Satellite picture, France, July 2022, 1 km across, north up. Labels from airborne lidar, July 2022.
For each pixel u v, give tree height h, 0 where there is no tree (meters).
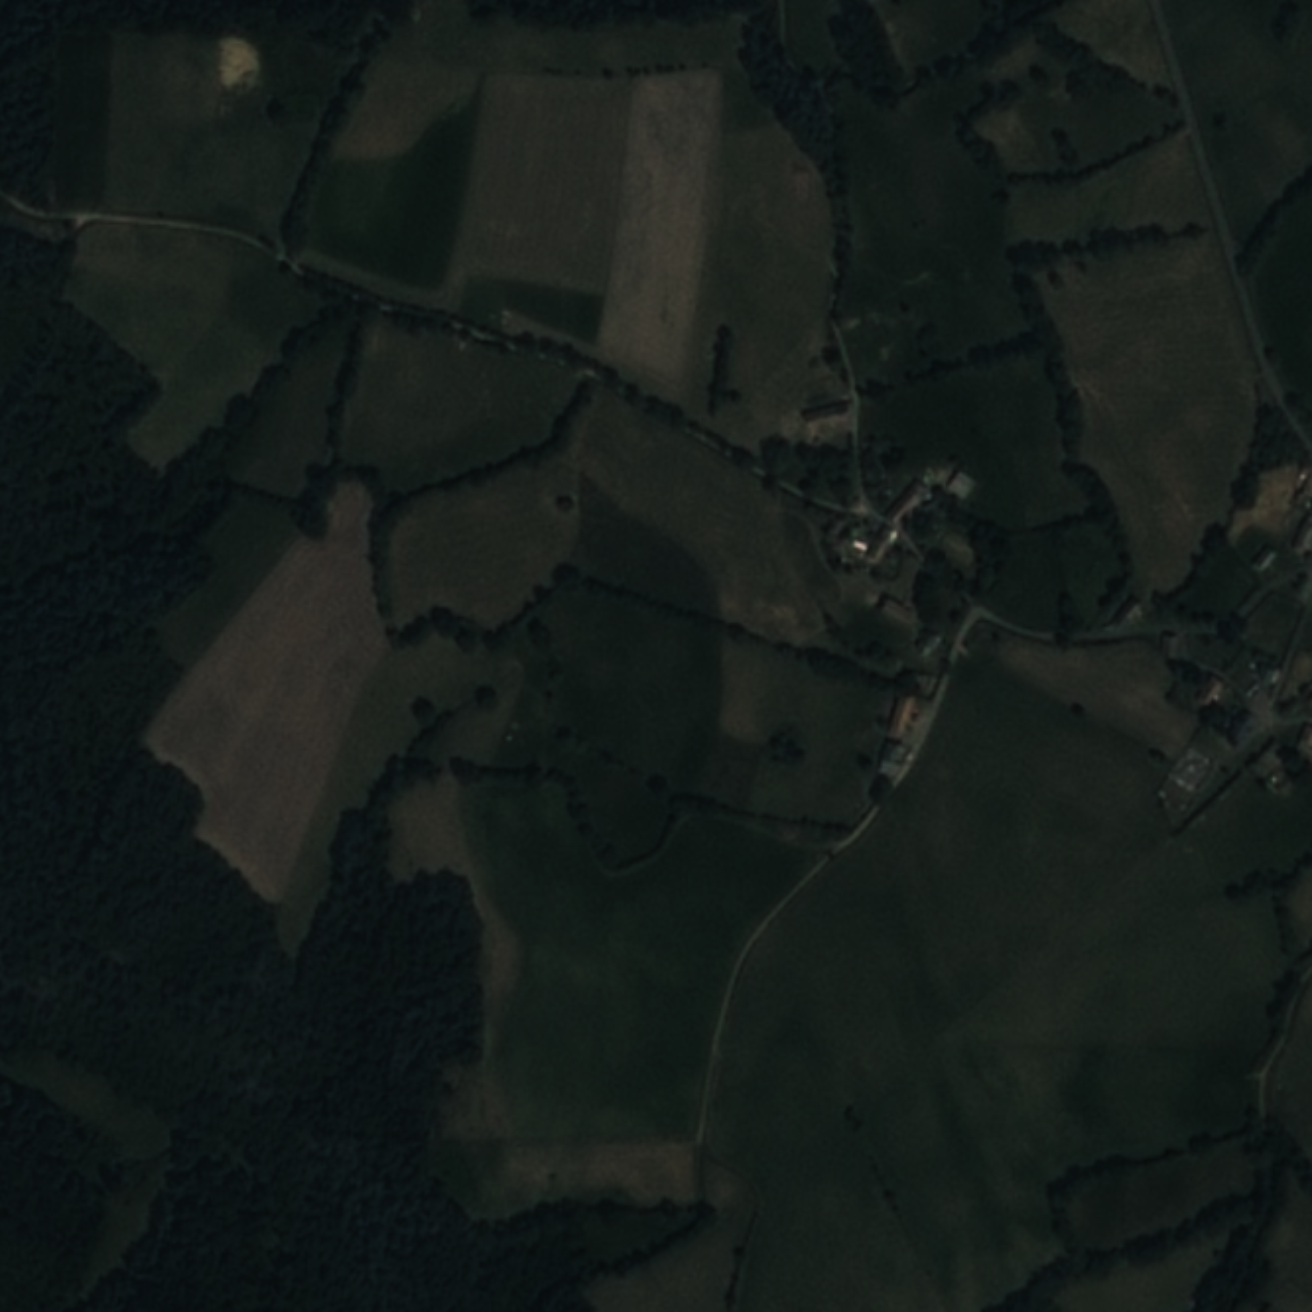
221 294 0
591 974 0
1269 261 0
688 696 0
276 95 0
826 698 0
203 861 13
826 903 0
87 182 0
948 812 0
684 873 0
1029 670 0
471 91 0
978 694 0
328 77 0
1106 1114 0
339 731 0
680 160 0
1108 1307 0
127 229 0
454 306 0
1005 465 0
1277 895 8
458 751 0
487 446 0
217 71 0
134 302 0
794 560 0
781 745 7
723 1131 0
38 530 18
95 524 24
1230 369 0
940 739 0
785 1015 0
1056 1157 0
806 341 0
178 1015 18
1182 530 0
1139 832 0
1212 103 0
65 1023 17
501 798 0
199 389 0
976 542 13
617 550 0
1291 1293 0
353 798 0
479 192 0
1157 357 0
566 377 0
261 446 0
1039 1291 15
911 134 0
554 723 0
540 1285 14
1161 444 0
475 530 0
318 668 0
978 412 0
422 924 18
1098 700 0
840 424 0
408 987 17
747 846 0
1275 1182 14
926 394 0
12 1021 18
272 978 19
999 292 0
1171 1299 0
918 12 0
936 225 0
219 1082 14
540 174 0
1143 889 0
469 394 0
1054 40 19
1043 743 0
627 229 0
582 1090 0
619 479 0
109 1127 0
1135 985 0
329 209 0
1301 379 0
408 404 0
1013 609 0
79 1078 0
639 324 0
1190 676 21
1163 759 11
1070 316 0
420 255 0
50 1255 19
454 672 0
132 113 0
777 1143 0
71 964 14
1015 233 0
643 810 0
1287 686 0
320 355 0
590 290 0
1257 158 0
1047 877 0
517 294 0
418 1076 24
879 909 0
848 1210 0
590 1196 0
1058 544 9
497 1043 0
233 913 14
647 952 0
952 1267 0
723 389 7
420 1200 23
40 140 12
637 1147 0
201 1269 15
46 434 14
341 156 0
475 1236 14
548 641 14
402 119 0
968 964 0
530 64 0
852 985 0
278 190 0
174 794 18
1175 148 0
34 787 28
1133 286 0
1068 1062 0
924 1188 0
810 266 0
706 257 0
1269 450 6
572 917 0
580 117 0
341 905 8
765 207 0
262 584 0
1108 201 0
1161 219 0
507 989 0
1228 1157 0
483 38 0
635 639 0
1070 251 14
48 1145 19
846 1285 0
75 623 20
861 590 0
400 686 0
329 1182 15
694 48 0
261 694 0
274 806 0
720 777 0
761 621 0
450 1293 19
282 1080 21
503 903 0
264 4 26
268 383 16
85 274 0
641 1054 0
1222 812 0
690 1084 0
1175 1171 0
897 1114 0
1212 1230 16
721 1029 0
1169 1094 0
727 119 0
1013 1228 0
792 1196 0
